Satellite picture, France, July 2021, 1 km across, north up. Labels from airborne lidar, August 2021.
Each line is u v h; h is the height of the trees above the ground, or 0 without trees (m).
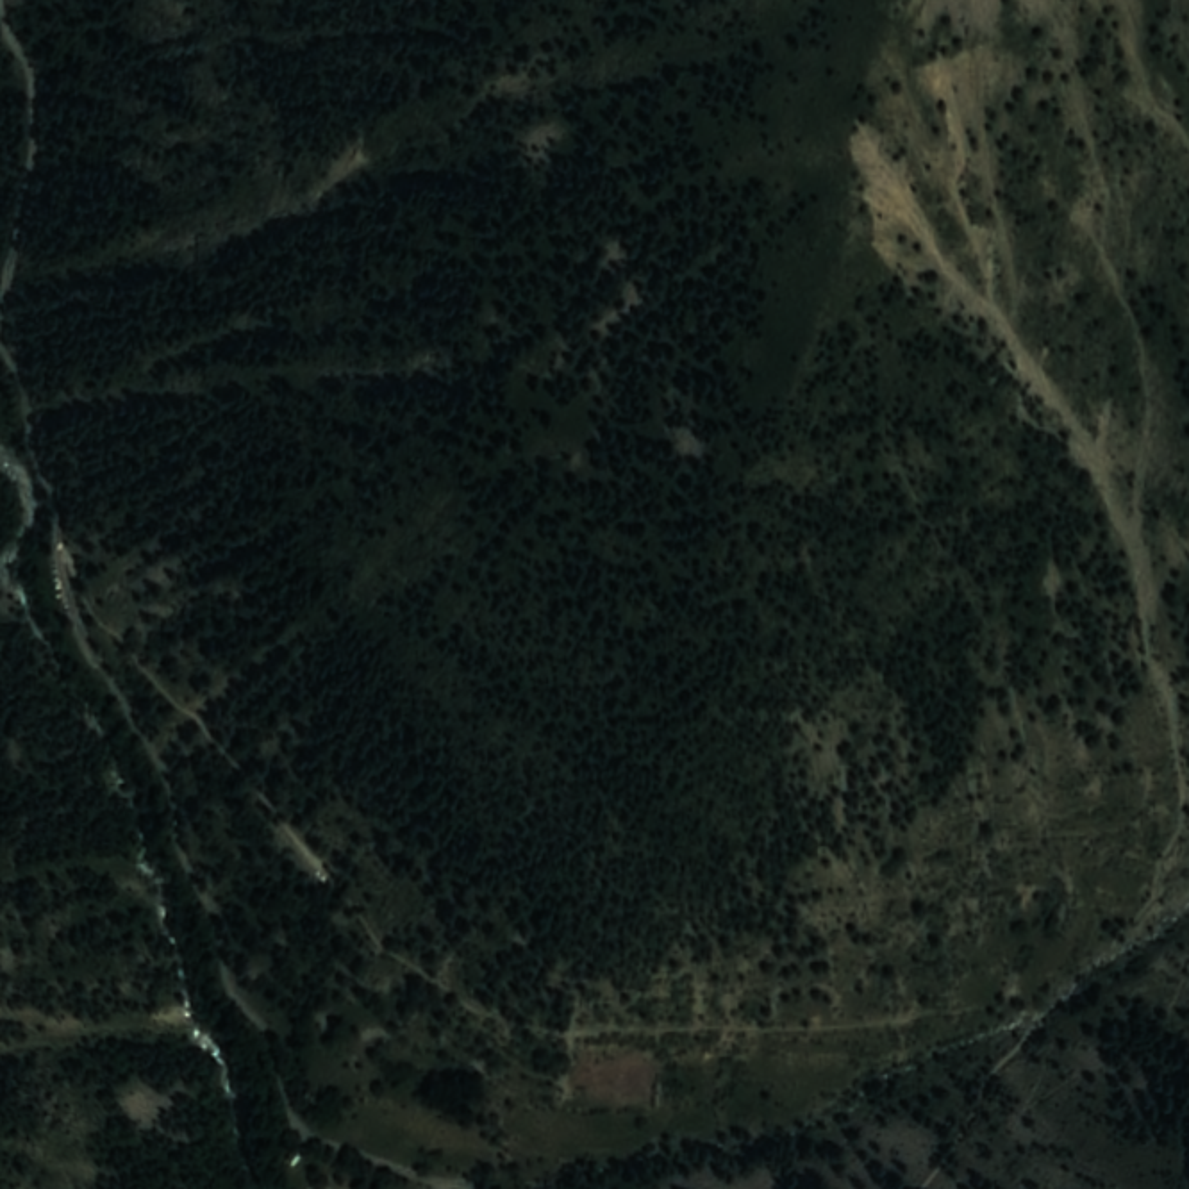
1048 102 16
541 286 21
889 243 0
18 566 8
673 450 20
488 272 16
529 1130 0
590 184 22
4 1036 12
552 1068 8
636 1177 21
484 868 25
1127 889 0
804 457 0
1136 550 0
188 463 9
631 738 13
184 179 10
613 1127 0
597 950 12
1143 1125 10
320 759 14
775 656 12
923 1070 9
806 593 10
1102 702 13
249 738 11
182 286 8
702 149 11
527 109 8
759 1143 9
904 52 0
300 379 0
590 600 19
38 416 6
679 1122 0
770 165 0
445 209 19
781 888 16
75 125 11
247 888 8
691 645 11
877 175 0
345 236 22
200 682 19
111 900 13
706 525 21
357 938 15
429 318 8
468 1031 5
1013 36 0
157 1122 6
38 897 22
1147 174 0
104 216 21
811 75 0
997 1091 9
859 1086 6
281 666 20
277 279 21
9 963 0
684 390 24
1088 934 0
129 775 7
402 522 15
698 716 17
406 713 7
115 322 23
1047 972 0
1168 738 0
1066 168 0
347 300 15
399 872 16
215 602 7
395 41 19
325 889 15
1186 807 9
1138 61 0
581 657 11
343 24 12
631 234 23
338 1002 11
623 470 23
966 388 18
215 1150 18
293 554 6
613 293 25
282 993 11
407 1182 9
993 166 0
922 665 14
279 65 24
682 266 23
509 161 13
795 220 6
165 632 8
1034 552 11
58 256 8
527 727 6
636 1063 0
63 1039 0
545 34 0
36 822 23
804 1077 0
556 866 15
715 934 11
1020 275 0
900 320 0
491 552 15
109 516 6
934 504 12
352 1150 14
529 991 16
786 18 0
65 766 15
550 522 20
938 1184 0
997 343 11
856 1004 0
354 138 6
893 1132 0
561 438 0
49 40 8
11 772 16
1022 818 0
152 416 20
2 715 18
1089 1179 7
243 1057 23
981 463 10
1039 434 19
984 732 0
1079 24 0
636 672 13
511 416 23
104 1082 11
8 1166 10
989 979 0
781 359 0
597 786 15
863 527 13
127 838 18
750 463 7
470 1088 23
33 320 16
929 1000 11
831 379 12
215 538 11
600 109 0
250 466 16
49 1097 15
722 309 11
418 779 8
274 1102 25
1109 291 0
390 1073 11
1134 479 7
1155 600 0
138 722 15
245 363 22
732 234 11
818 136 0
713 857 10
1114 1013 7
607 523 19
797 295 0
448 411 18
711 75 16
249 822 11
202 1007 19
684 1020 5
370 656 19
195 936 13
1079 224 0
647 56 0
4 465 0
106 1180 14
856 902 0
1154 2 0
